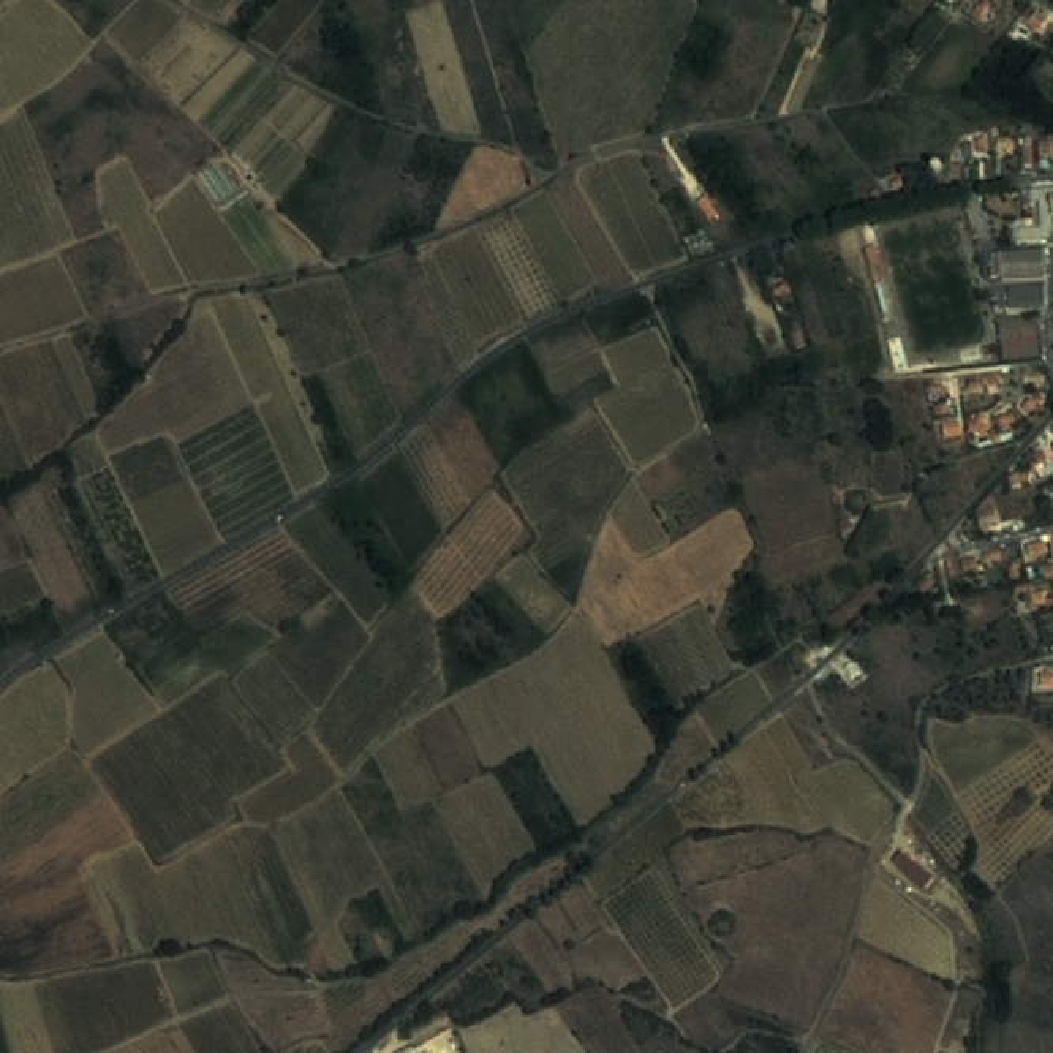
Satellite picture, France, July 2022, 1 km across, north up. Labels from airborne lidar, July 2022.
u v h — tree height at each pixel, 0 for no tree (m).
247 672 0
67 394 0
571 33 0
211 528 0
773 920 0
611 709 0
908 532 0
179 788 0
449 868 0
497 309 0
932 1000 0
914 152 0
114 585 9
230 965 0
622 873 0
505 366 0
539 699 0
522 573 0
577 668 0
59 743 0
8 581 0
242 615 0
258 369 0
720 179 11
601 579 0
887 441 22
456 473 0
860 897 0
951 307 0
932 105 0
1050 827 0
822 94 0
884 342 0
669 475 0
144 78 0
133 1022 0
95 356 6
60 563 0
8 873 0
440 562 0
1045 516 6
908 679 0
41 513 0
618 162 0
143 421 0
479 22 0
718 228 0
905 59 0
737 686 0
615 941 0
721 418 9
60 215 0
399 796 0
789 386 9
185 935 0
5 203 0
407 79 0
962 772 0
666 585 0
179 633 0
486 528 0
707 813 0
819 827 0
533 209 0
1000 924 0
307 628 0
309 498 0
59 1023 0
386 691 0
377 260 0
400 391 0
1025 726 0
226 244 0
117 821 0
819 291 0
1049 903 0
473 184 0
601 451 0
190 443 0
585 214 0
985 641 9
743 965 0
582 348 0
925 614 6
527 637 0
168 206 0
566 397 0
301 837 0
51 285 0
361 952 9
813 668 0
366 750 0
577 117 0
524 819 6
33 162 0
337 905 0
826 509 0
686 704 11
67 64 0
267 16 0
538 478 0
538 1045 0
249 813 0
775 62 0
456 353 0
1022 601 8
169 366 0
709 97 0
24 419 0
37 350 0
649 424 0
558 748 0
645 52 0
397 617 0
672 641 0
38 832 0
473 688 0
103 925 0
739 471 0
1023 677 10
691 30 6
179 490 0
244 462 0
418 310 0
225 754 0
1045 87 0
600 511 0
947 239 0
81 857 0
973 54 0
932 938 0
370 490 0
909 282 0
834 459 0
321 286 0
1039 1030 0
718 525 0
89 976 0
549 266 0
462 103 0
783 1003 0
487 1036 0
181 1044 0
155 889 0
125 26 0
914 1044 0
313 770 0
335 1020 0
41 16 0
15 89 0
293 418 0
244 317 0
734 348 0
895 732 0
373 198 0
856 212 22
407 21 0
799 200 0
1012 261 0
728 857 0
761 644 8
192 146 0
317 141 0
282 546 0
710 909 0
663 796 0
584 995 0
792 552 0
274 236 0
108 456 0
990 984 11
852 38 0
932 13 8
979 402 0
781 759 0
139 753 0
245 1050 0
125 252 0
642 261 0
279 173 0
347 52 14
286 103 0
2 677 0
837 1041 0
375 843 0
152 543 0
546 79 0
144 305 0
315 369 0
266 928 0
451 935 0
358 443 0
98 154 0
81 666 0
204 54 0
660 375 0
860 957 0
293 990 0
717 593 0
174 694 0
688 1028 0
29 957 0
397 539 0
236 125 0
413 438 0
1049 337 0
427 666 0
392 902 0
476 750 0
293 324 0
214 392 0
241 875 0
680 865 0
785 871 0
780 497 0
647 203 0
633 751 0
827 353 0
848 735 0
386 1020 11
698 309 0
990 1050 0
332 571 0
